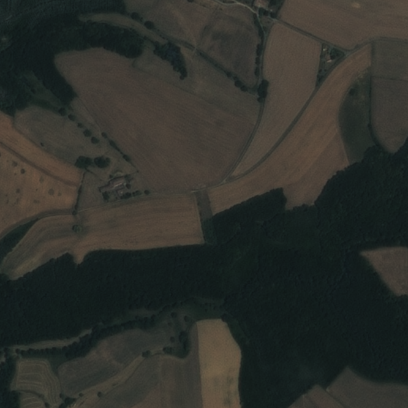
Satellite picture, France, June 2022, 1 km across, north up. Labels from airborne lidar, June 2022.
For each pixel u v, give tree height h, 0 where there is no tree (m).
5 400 19
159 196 0
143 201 0
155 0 0
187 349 9
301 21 0
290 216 8
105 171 0
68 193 0
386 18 0
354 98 0
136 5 0
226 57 0
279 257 13
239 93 0
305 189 0
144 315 0
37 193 0
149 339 0
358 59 0
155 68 0
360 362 7
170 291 21
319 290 19
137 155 0
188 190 0
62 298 19
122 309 21
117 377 0
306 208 16
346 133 0
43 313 23
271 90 0
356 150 0
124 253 8
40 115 0
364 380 0
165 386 0
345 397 0
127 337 0
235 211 16
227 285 5
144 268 17
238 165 0
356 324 25
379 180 16
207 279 23
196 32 0
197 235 0
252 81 0
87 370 0
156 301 12
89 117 0
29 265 0
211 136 0
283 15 0
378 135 0
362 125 0
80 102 0
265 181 0
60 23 9
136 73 0
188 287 23
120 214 0
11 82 22
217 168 0
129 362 0
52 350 16
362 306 28
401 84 0
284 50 0
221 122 0
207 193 0
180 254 19
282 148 0
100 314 21
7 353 17
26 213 0
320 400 0
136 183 0
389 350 25
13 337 15
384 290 15
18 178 0
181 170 0
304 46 0
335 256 18
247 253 6
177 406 0
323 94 0
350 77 0
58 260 8
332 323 17
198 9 0
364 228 25
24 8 9
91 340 25
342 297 28
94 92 0
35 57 22
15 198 0
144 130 0
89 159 10
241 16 0
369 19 0
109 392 0
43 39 24
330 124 0
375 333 28
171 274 23
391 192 20
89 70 0
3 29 6
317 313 7
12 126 0
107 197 10
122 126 0
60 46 18
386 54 0
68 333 18
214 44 0
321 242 13
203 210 0
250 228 22
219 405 0
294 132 0
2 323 22
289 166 0
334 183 21
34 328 16
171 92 0
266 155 0
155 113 0
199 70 0
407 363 22
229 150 0
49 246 0
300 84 0
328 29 0
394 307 24
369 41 0
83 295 21
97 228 0
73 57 0
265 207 19
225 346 0
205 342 0
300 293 6
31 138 0
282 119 0
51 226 0
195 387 0
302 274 18
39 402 0
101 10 14
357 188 18
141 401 0
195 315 0
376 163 20
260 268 12
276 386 7
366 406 0
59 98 16
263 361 6
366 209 18
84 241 0
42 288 18
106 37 23
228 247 19
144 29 0
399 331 21
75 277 10
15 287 16
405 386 0
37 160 0
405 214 23
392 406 0
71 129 0
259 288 17
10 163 0
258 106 0
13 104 16
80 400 0
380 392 0
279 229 15
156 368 0
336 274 9
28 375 0
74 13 13
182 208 0
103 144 0
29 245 0
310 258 13
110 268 21
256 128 0
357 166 18
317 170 0
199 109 0
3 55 16
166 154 0
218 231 11
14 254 0
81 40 21
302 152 0
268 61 0
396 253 0
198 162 0
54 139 0
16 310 20
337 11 0
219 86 0
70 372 0
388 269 0
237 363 0
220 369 0
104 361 0
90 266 19
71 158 0
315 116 0
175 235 0
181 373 0
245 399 6
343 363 7
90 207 0
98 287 20
